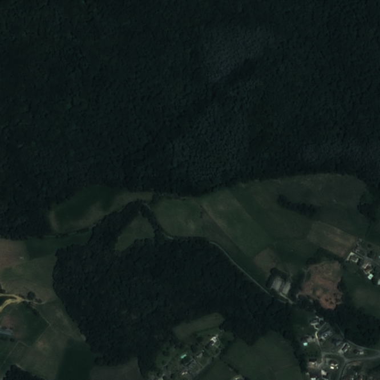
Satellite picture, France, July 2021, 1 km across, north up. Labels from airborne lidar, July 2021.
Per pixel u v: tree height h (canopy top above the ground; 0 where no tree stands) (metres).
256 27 11
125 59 22
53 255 0
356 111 30
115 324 24
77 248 21
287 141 13
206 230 0
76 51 32
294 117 11
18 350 0
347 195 0
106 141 22
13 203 19
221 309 19
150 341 24
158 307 28
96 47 34
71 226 0
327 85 28
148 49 16
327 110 16
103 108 28
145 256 22
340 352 0
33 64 29
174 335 13
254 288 15
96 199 0
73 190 18
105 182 13
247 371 0
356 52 23
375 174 17
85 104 30
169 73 21
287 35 22
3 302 0
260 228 0
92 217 0
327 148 19
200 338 8
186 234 0
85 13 13
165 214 0
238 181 29
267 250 0
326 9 30
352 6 8
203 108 30
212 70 22
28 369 0
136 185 27
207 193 19
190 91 28
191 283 27
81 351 0
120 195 0
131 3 21
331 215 0
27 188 19
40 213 20
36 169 19
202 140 28
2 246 0
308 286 0
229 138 20
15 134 27
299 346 8
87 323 9
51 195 28
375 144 23
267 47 19
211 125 22
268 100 25
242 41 16
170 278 25
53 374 0
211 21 18
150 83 21
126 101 15
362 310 6
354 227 0
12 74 29
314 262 8
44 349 0
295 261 0
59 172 13
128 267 17
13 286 0
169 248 27
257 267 0
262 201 0
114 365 17
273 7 21
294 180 0
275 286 0
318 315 13
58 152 18
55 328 0
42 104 24
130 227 0
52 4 30
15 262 0
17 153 27
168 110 26
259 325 20
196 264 27
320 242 0
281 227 0
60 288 21
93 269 26
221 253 15
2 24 30
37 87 26
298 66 27
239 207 0
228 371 0
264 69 23
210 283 21
